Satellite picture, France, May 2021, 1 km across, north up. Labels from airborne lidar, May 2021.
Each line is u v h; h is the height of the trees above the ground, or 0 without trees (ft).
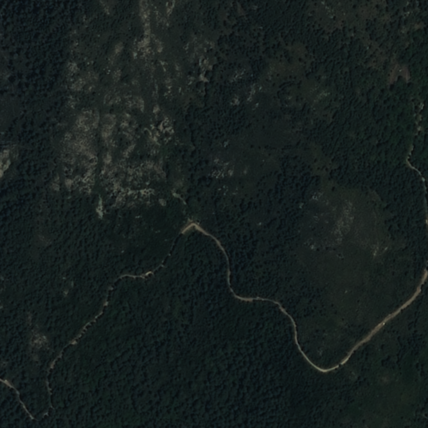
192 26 34
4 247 68
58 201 62
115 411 95
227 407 45
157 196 23
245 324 47
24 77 57
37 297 35
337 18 59
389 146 90
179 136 21
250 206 53
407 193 68
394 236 43
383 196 73
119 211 62
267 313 31
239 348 40
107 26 43
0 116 0
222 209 22
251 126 45
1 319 66
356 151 84
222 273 63
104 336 29
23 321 61
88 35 33
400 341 50
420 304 51
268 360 22
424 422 36
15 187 52
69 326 41
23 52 63
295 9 58
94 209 26
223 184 19
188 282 69
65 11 40
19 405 68
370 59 45
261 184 39
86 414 72
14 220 67
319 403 63
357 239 0
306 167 37
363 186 45
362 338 42
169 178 70
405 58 73
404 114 90
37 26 32
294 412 48
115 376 91
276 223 43
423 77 46
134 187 29
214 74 66
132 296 87
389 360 59
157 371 18
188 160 79
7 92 41
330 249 51
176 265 24
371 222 0
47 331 24
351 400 42
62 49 49
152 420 78
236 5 50
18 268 46
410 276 21
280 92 38
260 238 20
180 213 20
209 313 24
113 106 38
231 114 38
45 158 27
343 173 61
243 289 28
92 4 50
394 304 25
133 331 36
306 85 0
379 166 68
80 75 36
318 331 39
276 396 48
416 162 85
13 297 21
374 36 61
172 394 56
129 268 62
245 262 60
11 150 0
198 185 40
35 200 64
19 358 67
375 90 69
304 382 33
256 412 63
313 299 36
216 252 19
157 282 23
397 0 81
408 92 52
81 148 0
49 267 49
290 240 37
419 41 70
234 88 28
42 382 42
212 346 38
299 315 40
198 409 89
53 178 35
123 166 34
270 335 63
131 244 26
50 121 39
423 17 65
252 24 50
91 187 32
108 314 38
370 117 30
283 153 30
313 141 48
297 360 20
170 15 27
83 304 20
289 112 21
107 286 83
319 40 60
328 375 24
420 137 55
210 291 23
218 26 55
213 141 32
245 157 19
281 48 58
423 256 52
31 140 50
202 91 30
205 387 52
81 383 93
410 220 62
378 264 23
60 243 32
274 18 53
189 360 22
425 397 20
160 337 74
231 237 38
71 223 48
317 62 40
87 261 25
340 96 28
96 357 21
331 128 54
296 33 71
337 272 0
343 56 92
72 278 58
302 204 23
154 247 21
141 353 88
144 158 86
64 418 77
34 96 45
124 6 34
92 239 91
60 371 53
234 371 101
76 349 27
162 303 23
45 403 19
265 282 35
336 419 26
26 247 53
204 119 66
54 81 33
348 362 22
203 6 46
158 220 20
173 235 28
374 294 17
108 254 54
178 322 92
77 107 33
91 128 0
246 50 47
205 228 25
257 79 49
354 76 71
